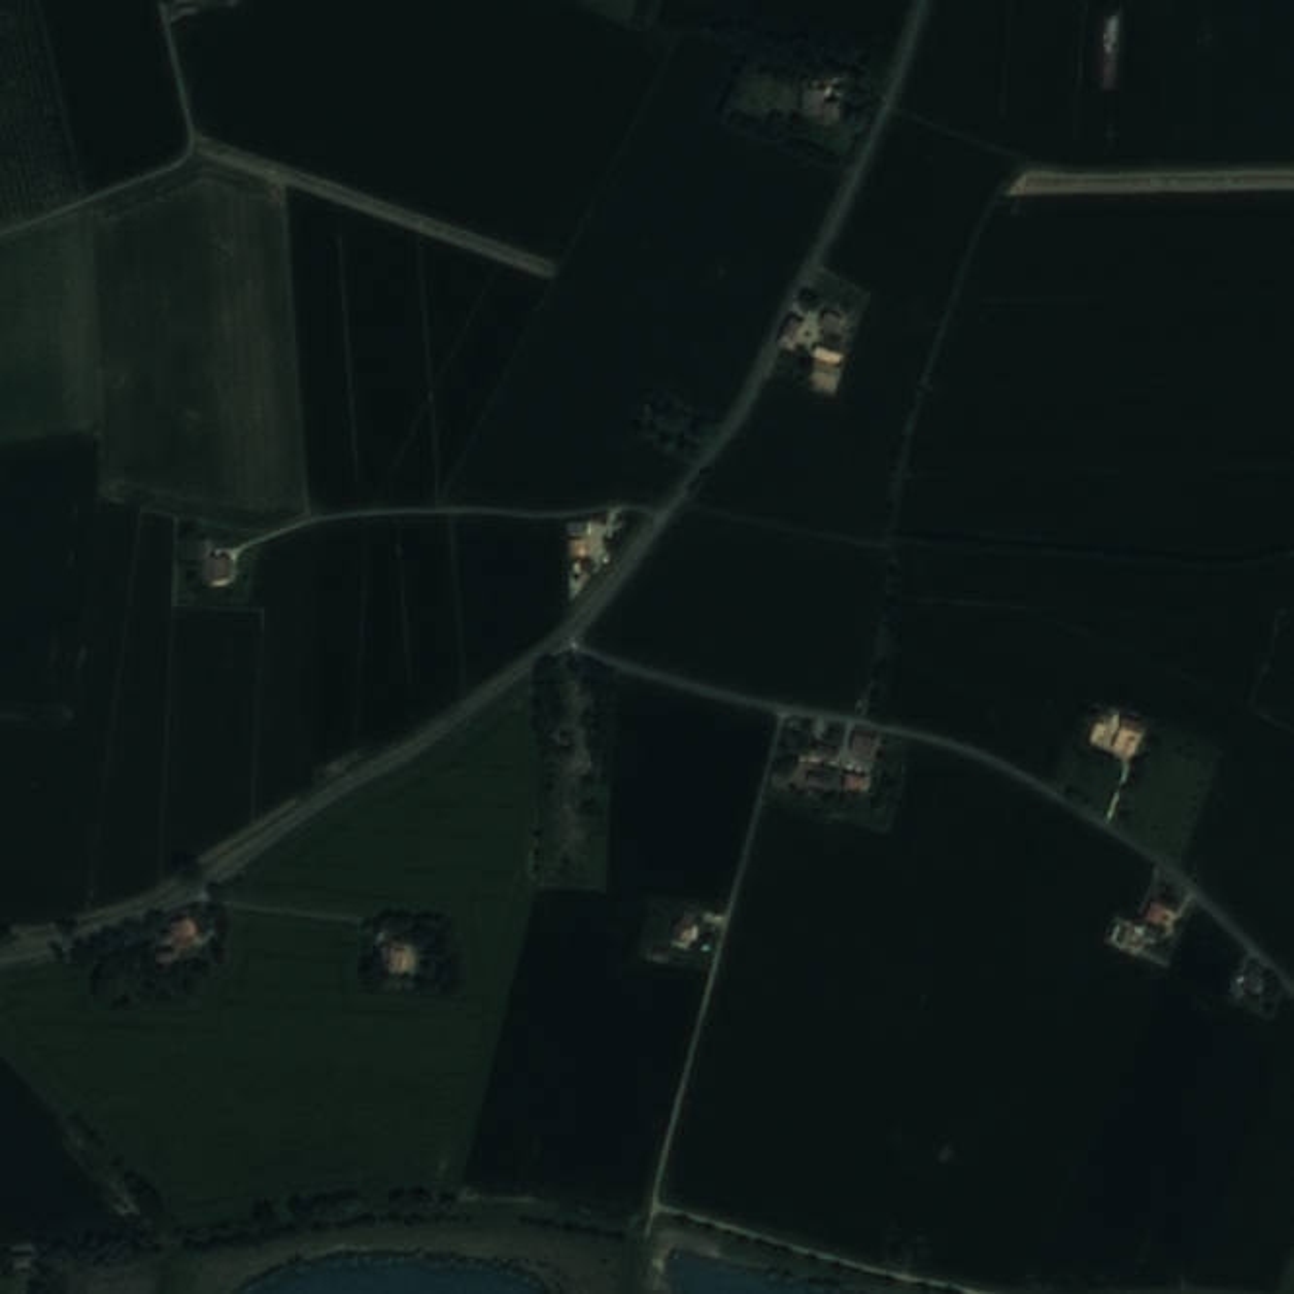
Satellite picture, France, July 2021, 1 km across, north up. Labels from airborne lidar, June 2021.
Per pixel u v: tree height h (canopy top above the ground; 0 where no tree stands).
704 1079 0
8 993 0
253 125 0
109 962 14
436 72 0
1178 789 0
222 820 0
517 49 0
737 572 0
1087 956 0
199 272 0
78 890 0
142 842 0
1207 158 0
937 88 0
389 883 0
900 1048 0
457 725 0
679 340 0
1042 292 0
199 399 0
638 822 0
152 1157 0
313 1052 0
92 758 0
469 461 0
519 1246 0
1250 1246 0
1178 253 0
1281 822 0
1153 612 0
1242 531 0
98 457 0
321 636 0
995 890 0
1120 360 0
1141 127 0
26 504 0
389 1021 0
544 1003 0
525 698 0
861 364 0
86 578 0
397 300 0
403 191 0
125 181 0
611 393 0
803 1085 0
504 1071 0
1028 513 0
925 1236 0
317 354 0
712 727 0
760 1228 0
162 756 0
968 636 0
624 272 0
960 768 0
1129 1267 0
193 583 8
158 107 0
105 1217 0
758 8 0
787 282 0
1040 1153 0
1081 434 0
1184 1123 0
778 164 0
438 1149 0
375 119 0
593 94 0
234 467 0
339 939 0
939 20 0
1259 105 0
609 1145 0
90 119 0
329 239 0
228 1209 0
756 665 0
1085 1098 0
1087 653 0
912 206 0
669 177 0
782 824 0
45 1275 18
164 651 0
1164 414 0
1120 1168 0
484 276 0
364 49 0
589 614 0
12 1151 0
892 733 0
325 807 0
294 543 0
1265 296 0
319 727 0
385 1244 0
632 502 0
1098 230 0
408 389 0
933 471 0
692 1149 0
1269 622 0
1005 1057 0
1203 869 0
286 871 0
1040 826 0
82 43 0
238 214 0
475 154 0
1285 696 0
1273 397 0
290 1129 0
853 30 0
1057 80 0
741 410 0
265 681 0
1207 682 0
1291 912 0
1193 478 0
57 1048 0
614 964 0
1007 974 0
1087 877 0
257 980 0
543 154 0
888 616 10
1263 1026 0
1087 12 0
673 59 0
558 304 0
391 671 0
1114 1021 0
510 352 0
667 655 0
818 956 0
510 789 0
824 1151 0
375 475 0
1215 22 0
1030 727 0
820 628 0
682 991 0
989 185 0
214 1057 0
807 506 0
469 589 0
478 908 0
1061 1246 0
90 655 0
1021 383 0
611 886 0
